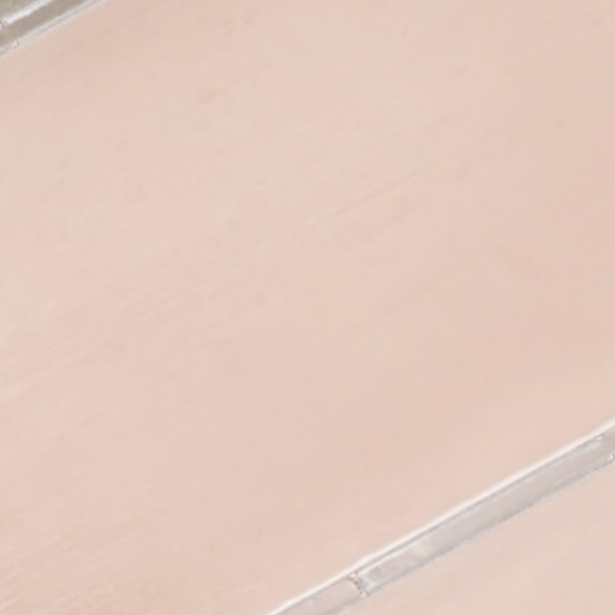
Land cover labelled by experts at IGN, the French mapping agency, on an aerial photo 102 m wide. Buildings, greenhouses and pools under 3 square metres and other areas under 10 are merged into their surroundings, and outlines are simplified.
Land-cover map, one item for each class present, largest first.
<instances>
[{"label":"water","instance_id":"1","mask_svg":"<svg viewBox=\"0 0 615 615\"><path fill-rule=\"evenodd\" d=\"M615 416V0H55L0 31V615H262L281 601L332 577L334 572L356 562L358 557L387 545L389 541L430 521L444 509L459 504L461 500L490 488L504 476L560 449L562 444L591 432L593 428ZM281 615H615V430L603 437L584 442L565 459L548 464L541 471L512 483L497 495L468 507L464 514L452 517L440 526H432L430 541L423 545V555L406 553L382 567H375L363 579L344 577L329 589L283 610Z\"/></svg>","mask_w":615,"mask_h":615},{"label":"pervious surface","instance_id":"2","mask_svg":"<svg viewBox=\"0 0 615 615\"><path fill-rule=\"evenodd\" d=\"M55 0H0V31ZM615 430V416L593 428L591 432L562 444L560 449L504 476L490 488L461 500L459 504L444 509L430 521L389 541L387 545L358 557L356 562L334 572L332 577L281 601L262 615H281L283 610L329 589L344 577L363 579L375 567H382L406 553L423 555V545L430 541L432 526H440L452 517L464 514L468 507L497 495L512 483L541 471L548 464L565 459L584 442L603 437Z\"/></svg>","mask_w":615,"mask_h":615}]
</instances>
